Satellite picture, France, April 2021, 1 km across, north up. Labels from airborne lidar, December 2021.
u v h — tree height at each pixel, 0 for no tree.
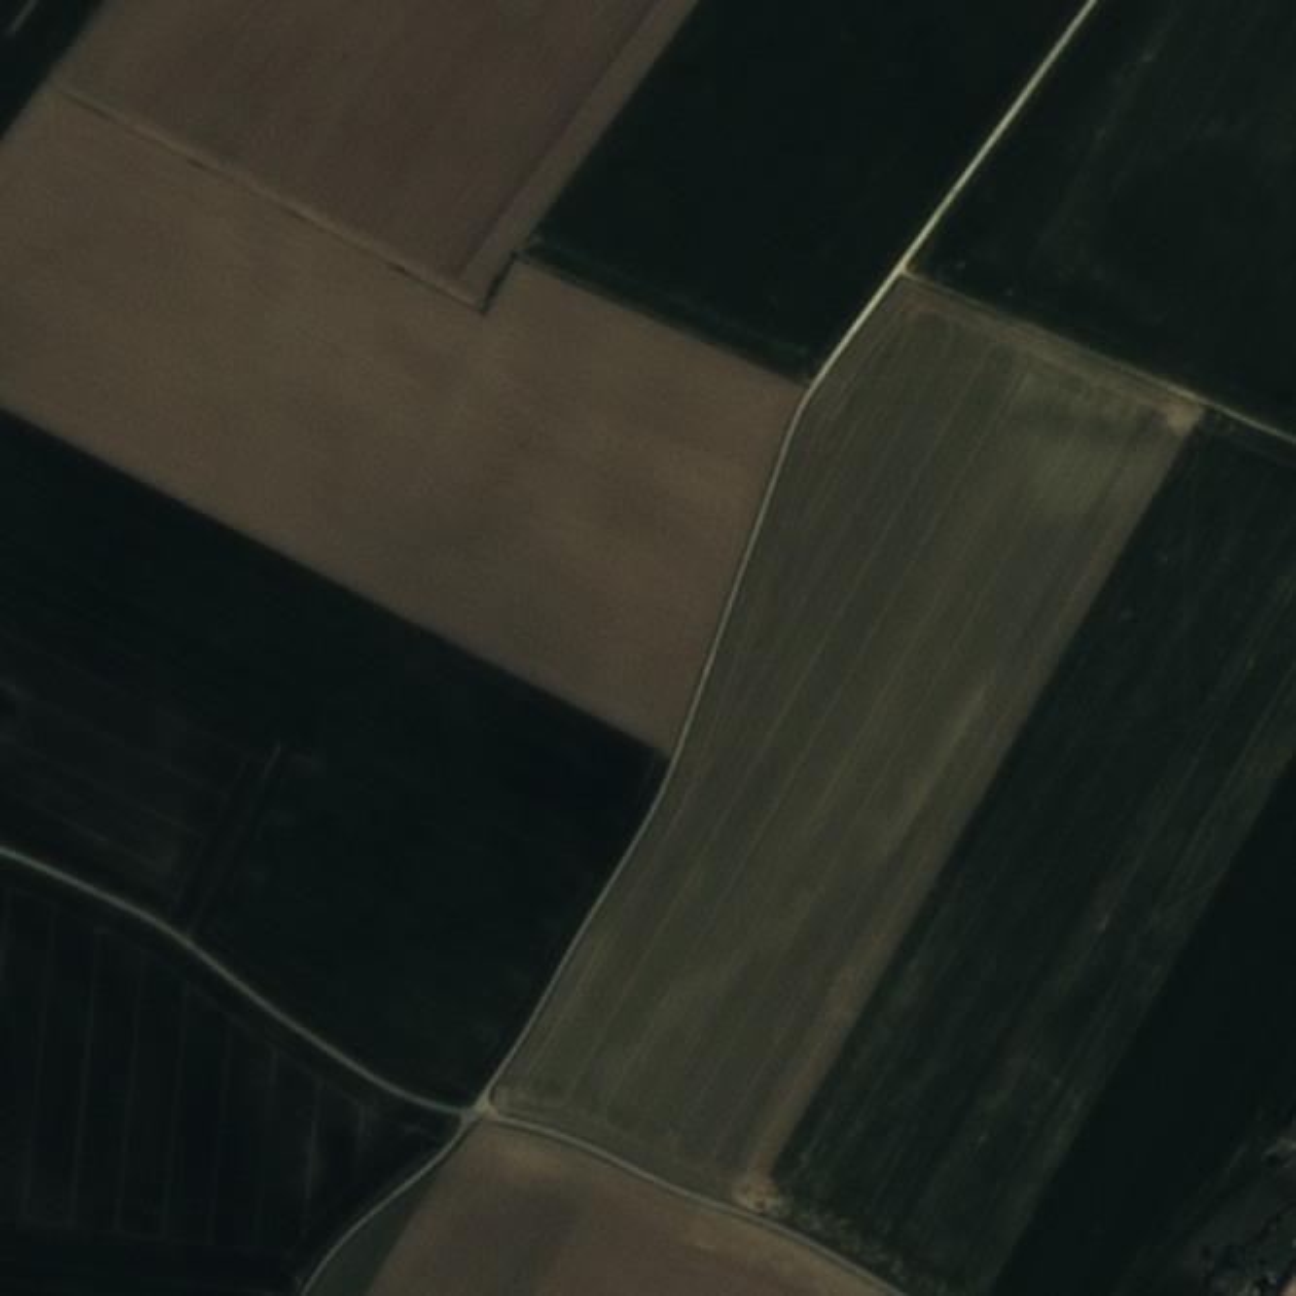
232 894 0
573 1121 0
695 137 0
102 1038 0
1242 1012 0
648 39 0
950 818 0
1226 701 0
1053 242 0
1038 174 0
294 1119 0
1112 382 0
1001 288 0
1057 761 0
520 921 0
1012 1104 0
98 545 0
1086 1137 0
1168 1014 0
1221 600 0
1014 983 0
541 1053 0
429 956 0
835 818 0
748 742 0
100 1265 0
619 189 0
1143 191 0
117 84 0
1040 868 0
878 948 0
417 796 0
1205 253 0
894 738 0
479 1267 0
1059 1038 0
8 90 0
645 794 0
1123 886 0
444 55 0
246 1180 0
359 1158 0
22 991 0
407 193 0
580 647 0
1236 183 0
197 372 0
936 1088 0
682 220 0
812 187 0
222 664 0
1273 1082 0
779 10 0
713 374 0
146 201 0
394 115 0
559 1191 0
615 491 0
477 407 0
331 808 0
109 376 0
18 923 0
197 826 0
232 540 0
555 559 0
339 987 0
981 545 0
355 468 0
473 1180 0
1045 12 0
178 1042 0
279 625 0
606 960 0
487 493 0
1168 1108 0
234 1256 0
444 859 0
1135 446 0
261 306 0
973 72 0
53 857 0
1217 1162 0
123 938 0
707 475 0
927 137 0
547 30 0
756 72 0
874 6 0
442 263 0
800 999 0
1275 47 0
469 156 0
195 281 0
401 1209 0
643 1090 0
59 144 0
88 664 0
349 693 0
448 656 0
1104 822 0
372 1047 0
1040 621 0
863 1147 0
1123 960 0
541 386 0
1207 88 0
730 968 0
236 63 0
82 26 0
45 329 0
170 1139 0
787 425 0
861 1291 0
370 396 0
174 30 0
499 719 0
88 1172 0
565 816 0
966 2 0
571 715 0
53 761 0
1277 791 0
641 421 0
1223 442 0
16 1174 0
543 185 0
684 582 0
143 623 0
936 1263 0
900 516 0
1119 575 0
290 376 0
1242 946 0
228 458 0
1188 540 0
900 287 0
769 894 0
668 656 0
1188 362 0
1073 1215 0
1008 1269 0
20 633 0
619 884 0
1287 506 0
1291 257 0
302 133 0
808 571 0
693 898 0
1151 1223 0
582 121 0
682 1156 0
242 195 0
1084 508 0
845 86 0
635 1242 0
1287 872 0
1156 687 0
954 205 0
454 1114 0
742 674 0
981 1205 0
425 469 0
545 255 0
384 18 0
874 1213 0
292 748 0
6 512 0
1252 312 0
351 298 0
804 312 0
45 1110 0
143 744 0
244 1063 0
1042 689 0
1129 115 0
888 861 0
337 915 0
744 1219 0
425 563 0
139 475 0
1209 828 0
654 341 0
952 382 0
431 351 0
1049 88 0
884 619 0
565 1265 0
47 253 0
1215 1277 11
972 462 0
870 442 0
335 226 0
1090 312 0
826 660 0
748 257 0
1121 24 0
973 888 0
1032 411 0
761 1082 0
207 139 0
